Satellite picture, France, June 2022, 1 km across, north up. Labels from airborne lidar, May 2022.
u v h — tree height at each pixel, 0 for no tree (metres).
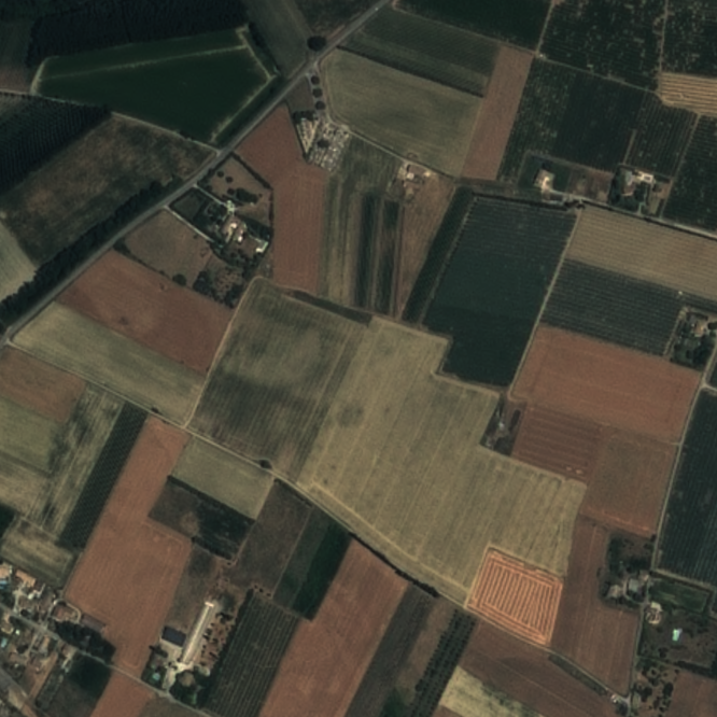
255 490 0
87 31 22
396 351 0
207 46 0
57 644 0
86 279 0
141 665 0
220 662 6
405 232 0
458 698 0
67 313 0
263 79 0
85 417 0
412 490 0
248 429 0
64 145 25
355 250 0
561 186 0
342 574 0
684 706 0
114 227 9
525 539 0
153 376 0
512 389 0
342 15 0
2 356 0
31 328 0
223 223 10
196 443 0
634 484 0
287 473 0
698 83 0
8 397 0
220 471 0
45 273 20
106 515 0
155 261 0
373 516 0
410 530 0
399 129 0
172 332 0
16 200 0
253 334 0
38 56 19
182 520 0
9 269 0
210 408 0
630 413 0
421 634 0
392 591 0
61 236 0
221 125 0
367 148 0
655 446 0
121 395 0
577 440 0
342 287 0
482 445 0
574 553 0
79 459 0
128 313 0
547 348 0
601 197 0
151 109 0
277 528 0
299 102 0
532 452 0
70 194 0
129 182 0
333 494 0
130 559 0
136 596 0
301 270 0
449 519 0
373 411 0
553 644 0
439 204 0
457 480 0
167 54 0
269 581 0
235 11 28
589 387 0
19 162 25
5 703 0
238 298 8
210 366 0
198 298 0
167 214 0
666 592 0
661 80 0
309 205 0
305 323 0
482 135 0
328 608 0
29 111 16
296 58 0
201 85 0
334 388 0
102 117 25
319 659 0
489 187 0
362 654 0
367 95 0
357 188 0
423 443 0
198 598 0
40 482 0
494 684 0
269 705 0
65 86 0
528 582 0
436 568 0
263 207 0
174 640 0
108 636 0
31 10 17
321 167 0
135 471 0
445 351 0
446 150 0
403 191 0
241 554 0
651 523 0
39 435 0
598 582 0
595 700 0
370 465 0
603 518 0
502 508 0
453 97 0
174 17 26
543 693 0
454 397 0
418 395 0
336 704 0
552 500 0
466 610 0
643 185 6
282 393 0
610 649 0
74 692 0
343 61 0
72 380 0
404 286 0
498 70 0
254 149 0
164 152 0
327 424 0
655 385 0
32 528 0
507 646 0
